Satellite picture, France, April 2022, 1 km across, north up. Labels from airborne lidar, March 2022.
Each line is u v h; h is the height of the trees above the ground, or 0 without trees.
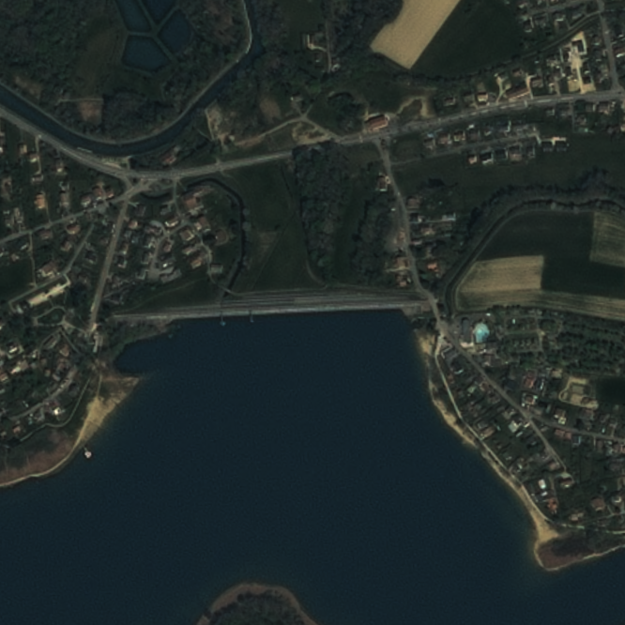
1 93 0
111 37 0
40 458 0
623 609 0
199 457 0
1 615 0
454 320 9
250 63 0
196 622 0
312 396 0
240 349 0
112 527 0
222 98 21
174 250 0
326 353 0
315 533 0
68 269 0
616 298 0
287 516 0
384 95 0
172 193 0
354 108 13
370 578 0
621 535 0
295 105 0
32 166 0
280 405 0
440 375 21
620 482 0
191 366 0
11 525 0
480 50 0
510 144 0
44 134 0
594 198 22
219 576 0
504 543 0
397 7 23
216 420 0
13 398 0
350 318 0
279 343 0
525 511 0
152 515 0
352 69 22
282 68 18
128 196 0
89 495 0
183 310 0
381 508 0
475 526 0
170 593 0
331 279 17
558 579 0
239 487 0
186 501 0
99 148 0
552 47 0
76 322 23
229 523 0
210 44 25
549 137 0
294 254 0
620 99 0
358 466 0
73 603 0
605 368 18
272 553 0
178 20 0
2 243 0
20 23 19
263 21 25
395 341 0
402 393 0
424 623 0
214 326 0
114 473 0
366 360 0
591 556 0
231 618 24
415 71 0
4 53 10
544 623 0
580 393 0
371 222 7
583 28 0
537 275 0
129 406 0
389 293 0
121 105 24
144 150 0
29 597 0
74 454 0
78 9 26
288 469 0
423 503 0
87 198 0
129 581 0
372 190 0
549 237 0
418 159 0
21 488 0
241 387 0
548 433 0
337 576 0
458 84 12
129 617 0
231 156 0
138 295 9
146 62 0
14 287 0
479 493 0
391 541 0
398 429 0
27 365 0
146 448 0
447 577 0
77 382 9
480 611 0
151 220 0
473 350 0
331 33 0
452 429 0
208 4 23
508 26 0
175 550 0
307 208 19
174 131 0
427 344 0
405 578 0
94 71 0
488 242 0
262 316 0
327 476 0
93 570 0
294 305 0
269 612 27
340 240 0
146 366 0
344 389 0
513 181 0
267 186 0
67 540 0
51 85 12
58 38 26
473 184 0
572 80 0
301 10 0
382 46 0
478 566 0
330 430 0
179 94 24
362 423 0
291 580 0
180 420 0
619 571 0
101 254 0
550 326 11
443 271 0
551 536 0
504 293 0
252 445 0
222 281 8
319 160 23
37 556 0
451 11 0
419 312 0
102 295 0
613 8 0
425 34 0
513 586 0
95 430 0
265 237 0
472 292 0
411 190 0
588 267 0
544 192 14
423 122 0
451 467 0
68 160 6
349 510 0
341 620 0
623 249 0
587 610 0
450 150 0
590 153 0
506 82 0
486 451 16
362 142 0
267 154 0
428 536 0
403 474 0
